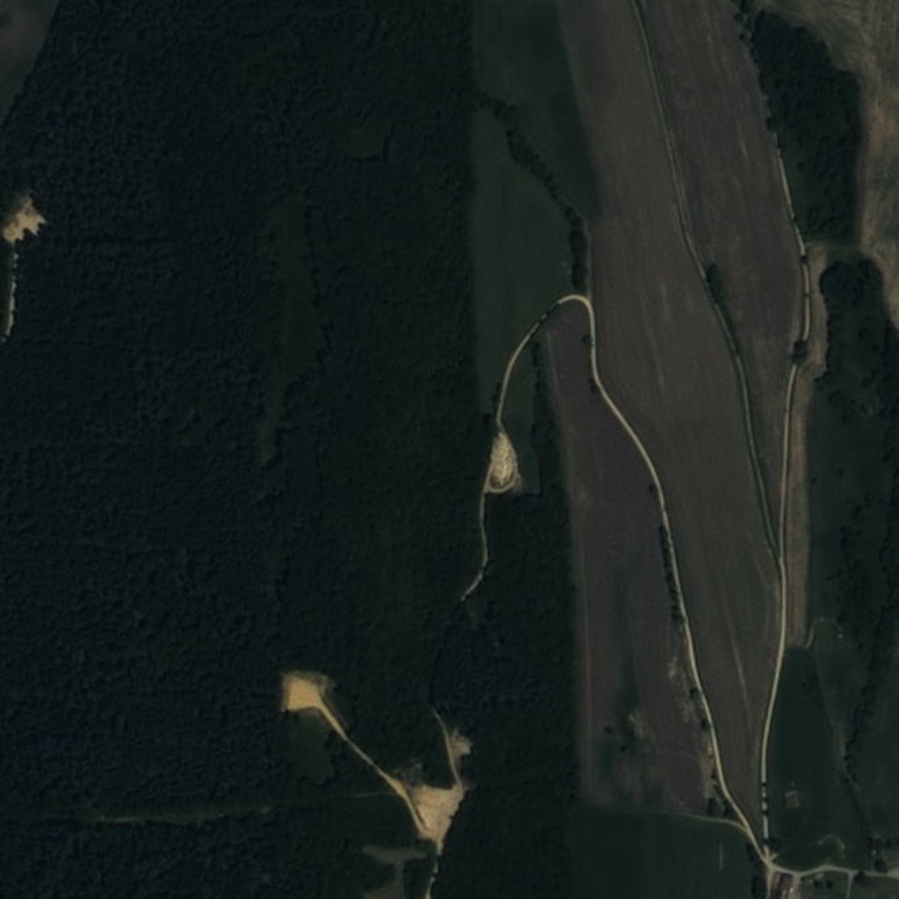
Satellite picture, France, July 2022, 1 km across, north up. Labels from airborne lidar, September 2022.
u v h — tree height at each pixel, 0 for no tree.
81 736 28
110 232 11
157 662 23
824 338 0
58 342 13
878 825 0
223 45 22
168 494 19
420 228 15
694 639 0
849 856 0
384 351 15
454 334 11
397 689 13
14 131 18
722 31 0
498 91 0
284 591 16
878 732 0
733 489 0
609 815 0
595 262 0
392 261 14
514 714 15
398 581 6
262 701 22
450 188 14
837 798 0
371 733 12
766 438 0
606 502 0
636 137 0
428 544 14
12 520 15
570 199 0
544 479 11
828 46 16
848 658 0
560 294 0
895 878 0
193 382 25
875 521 0
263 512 20
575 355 0
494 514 9
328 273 19
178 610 24
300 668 19
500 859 17
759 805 0
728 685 0
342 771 16
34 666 20
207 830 14
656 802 0
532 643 13
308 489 14
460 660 24
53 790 25
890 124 0
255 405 6
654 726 0
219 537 23
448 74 15
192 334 19
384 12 15
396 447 6
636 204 0
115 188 37
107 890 23
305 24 18
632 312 0
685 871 0
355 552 14
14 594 23
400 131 13
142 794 25
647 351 0
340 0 15
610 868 0
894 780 0
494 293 0
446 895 16
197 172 17
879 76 0
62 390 21
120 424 23
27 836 14
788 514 0
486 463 18
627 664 0
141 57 27
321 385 17
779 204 0
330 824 15
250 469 31
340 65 15
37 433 21
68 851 34
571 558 11
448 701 24
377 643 14
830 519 0
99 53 34
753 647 0
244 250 27
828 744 0
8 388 19
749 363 0
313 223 19
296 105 22
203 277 16
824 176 12
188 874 28
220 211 17
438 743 14
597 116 0
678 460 0
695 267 0
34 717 24
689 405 0
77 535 18
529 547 17
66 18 17
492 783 9
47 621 20
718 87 0
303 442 12
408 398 10
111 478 19
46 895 20
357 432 14
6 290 20
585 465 0
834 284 18
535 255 0
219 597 22
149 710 19
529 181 0
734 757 0
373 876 7
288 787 19
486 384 0
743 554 0
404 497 12
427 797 0
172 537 20
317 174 18
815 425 0
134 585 23
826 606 0
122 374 24
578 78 0
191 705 21
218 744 22
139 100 37
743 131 0
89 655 22
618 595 0
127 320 23
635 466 0
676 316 0
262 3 19
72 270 24
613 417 0
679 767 0
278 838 21
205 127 20
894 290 0
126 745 21
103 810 20
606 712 0
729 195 0
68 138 28
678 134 0
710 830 0
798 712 0
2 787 19
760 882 13
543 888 17
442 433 12
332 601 14
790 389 0
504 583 18
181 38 22
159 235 30
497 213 0
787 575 0
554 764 14
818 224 11
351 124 19
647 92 0
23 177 22
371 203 13
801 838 0
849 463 0
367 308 17
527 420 0
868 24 0
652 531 0
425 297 11
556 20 0
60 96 21
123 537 19
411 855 0
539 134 0
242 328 28
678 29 0
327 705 0
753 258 0
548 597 11
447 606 15
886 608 11
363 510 14
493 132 0
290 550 17
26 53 0
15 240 0
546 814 16
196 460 24
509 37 0
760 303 0
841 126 0
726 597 0
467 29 22
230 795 30
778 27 15
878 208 0
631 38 0
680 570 0
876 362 0
